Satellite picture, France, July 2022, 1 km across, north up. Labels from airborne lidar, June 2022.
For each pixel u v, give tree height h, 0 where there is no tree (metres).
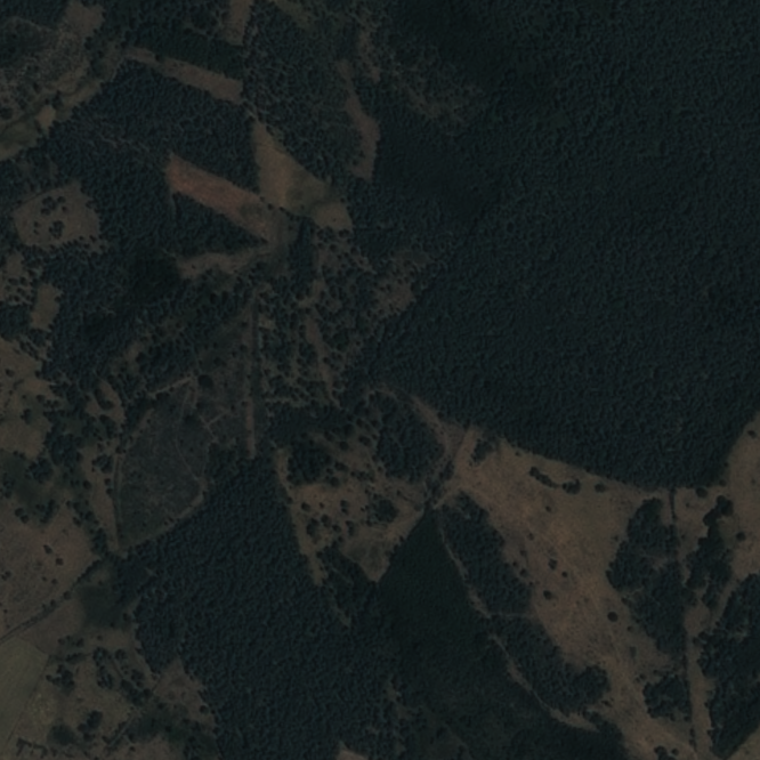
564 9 18
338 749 12
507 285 13
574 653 0
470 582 8
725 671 14
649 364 17
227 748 16
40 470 16
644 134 19
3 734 0
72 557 0
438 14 13
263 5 15
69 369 16
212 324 14
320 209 0
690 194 19
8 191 13
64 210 9
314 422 11
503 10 14
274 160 0
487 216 15
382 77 9
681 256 16
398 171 14
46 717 0
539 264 17
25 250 14
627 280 20
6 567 0
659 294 15
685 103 16
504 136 20
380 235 9
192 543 11
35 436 0
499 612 12
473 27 12
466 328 17
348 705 19
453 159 12
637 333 15
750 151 18
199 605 15
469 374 14
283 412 10
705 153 17
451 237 16
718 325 17
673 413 18
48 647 0
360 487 0
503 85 16
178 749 0
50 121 0
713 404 16
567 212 17
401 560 8
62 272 15
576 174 14
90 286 16
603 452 15
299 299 10
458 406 17
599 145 19
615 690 0
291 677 13
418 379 15
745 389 20
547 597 14
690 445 11
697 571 13
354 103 0
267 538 15
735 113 18
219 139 19
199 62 14
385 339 9
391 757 10
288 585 17
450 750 0
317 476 15
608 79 18
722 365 22
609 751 6
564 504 0
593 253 18
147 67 15
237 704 18
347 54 8
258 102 15
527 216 14
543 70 10
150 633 17
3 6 11
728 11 18
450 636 10
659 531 9
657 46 16
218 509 14
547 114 10
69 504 8
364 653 16
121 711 0
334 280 9
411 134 10
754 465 0
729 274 14
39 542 0
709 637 11
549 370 19
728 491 0
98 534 9
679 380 15
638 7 19
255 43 7
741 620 15
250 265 0
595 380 15
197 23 10
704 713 0
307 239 15
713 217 18
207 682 10
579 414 10
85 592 0
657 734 0
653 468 15
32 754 0
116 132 16
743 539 10
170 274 10
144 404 16
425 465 7
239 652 19
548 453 14
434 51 8
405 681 8
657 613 14
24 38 0
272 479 15
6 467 0
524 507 0
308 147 17
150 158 17
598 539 0
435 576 11
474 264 17
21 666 0
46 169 10
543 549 0
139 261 11
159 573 10
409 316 15
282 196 0
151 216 19
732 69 16
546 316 17
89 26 0
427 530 9
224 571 10
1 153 0
